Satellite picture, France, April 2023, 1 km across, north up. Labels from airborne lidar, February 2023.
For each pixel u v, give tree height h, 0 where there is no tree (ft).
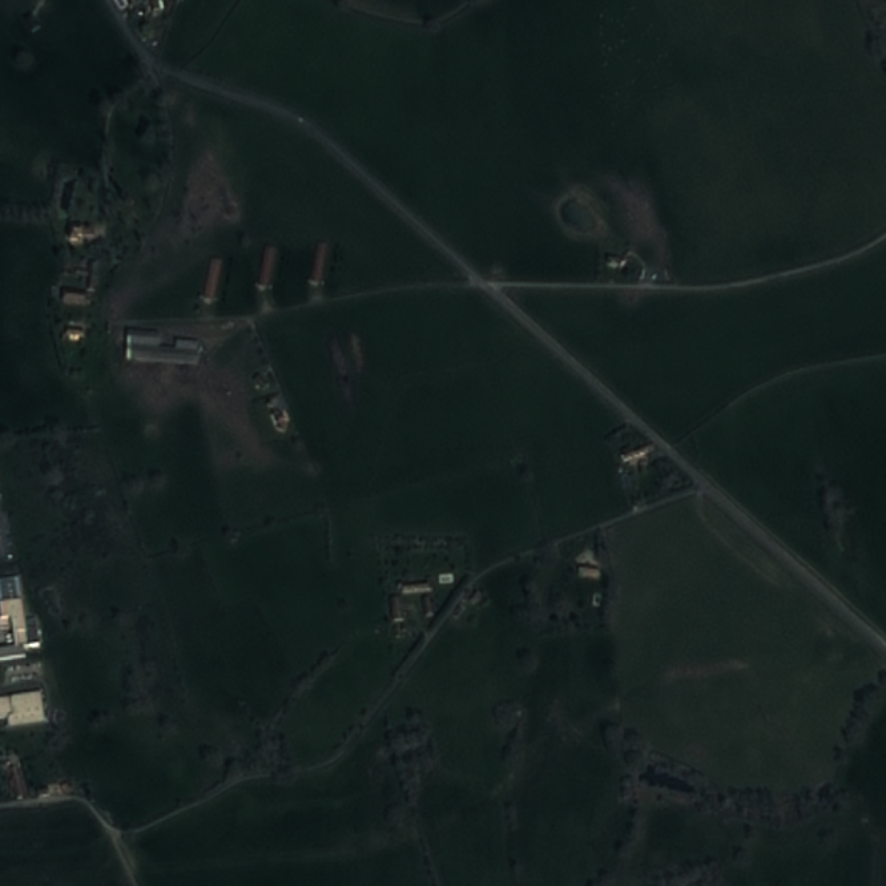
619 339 0
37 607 0
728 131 0
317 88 0
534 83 0
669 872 0
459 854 0
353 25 0
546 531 0
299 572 0
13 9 0
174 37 0
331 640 0
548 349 0
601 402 0
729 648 0
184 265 0
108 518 0
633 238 0
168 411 0
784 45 0
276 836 0
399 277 0
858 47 0
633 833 51
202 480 0
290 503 0
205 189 0
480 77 0
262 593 0
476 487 0
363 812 0
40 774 0
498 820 0
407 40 0
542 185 0
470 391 0
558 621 42
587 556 0
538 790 0
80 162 0
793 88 0
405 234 0
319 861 0
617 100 0
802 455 0
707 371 0
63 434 56
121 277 0
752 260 0
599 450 0
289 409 0
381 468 0
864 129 0
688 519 0
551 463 0
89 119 0
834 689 0
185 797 0
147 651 0
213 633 0
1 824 0
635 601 0
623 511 0
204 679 0
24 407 0
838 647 0
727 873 0
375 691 0
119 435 0
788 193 0
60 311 27
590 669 0
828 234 0
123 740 0
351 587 0
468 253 0
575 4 0
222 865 0
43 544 0
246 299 0
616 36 0
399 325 0
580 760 0
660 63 0
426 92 0
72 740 0
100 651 0
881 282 0
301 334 0
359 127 0
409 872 0
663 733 0
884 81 0
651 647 0
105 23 0
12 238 0
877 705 64
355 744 0
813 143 0
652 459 42
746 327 0
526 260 0
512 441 0
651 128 0
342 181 0
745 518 0
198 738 0
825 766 0
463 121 0
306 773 0
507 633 0
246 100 0
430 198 0
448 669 0
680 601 0
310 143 0
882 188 0
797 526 0
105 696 0
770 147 0
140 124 0
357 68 0
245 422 0
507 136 0
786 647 0
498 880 0
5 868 0
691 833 0
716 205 0
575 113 0
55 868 0
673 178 0
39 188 0
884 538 0
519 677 0
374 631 0
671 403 0
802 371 0
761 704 0
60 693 0
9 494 0
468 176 0
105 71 0
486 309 0
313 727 0
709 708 0
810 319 0
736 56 0
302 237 0
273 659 0
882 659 0
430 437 0
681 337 0
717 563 0
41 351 0
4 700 0
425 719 49
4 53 0
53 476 69
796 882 0
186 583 0
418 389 0
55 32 0
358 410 0
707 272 0
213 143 0
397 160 0
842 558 0
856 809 0
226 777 35
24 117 0
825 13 0
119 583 0
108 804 0
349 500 0
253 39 0
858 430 0
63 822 0
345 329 0
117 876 0
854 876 0
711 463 0
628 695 0
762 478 0
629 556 0
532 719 0
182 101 0
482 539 0
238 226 0
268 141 0
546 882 0
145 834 0
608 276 0
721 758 0
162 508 0
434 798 0
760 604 0
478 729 0
